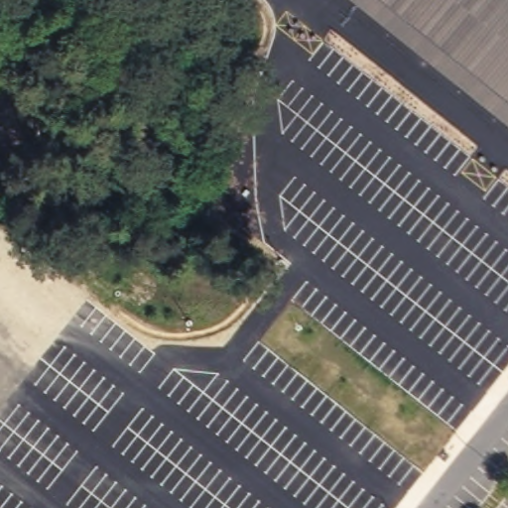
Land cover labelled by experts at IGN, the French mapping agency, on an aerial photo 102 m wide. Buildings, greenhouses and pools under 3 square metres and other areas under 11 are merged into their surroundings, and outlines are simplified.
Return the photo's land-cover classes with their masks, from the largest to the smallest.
<instances>
[{"label":"impervious surface","instance_id":"1","mask_svg":"<svg viewBox=\"0 0 508 508\"><path fill-rule=\"evenodd\" d=\"M262 24L256 54L274 60L276 85L284 87V97L268 105V111L264 115L268 125L260 135L248 137L242 157L232 165L230 189L252 202V208L248 210L252 234L250 244L260 248L268 258H272L276 264L278 278H284V290L278 302L262 314H258L256 310L222 347L159 345L157 349H145L121 327L107 319L101 312L103 306L83 284L73 282H67L50 266H36L34 270H30V250L12 246V242L8 240V232L0 230V508H508V127L502 121H498L490 111H486L480 103H476L468 93L456 87L450 79H446L433 65H423L421 58L409 46L397 40L361 8H357L351 0H256ZM300 308L310 316L316 317L327 329L335 331V335L341 341H345L369 363H373L377 369L389 375L397 385L411 393V397L419 405L429 409L435 417L443 419L448 425L456 427V433L446 443V458H435L427 466V470L419 474L415 468L409 466L405 456H399L391 446L385 448L383 444H379L377 435L369 433L365 425L349 417L345 407L339 409L341 405L337 401H331L327 393L321 395L317 391L316 383L310 385L308 375L294 371L288 363H280L278 359L268 355V351H264L262 337L272 327V323L286 310Z\"/></svg>","mask_w":508,"mask_h":508},{"label":"deciduous trees","instance_id":"2","mask_svg":"<svg viewBox=\"0 0 508 508\"><path fill-rule=\"evenodd\" d=\"M262 24L256 0H0V230L8 232V240L12 242V246L30 250V270H34L36 266H50L67 282H73L79 276L87 274H95L97 280L113 284H119L123 278H131L135 272H145L151 278L159 274L169 278L187 262L196 274L208 276L212 290L232 294L242 302L252 300L256 296L262 298V304L256 306V310L258 314H262L278 302L284 290V278H278L276 264L272 258H268L260 248L250 244L252 234L248 210L252 208V202L230 189L232 165L242 157L248 137L260 135L268 125L264 115L268 111V105L284 97V87L276 85L274 60L256 54Z\"/></svg>","mask_w":508,"mask_h":508},{"label":"herbaceous vegetation","instance_id":"3","mask_svg":"<svg viewBox=\"0 0 508 508\"><path fill-rule=\"evenodd\" d=\"M83 284L103 306H117L123 312L139 317L159 329L183 331L187 321H192V329L214 325L228 316L234 308H238L242 302L232 294L212 290L208 276L196 274L187 262L169 278L159 274L151 278L145 272H135L131 278H123L119 284H113L97 280L95 274H87L79 276L73 282ZM264 351H268V355L278 359L280 363H288L294 371L308 375L310 385L316 383L317 391L321 395L327 393L331 401H337L341 405L339 409L345 407L349 417L365 425L369 433L377 435L379 444H383L385 448L391 446L399 456H405L409 466L415 468L419 474L427 470V466L435 458H446V443L456 433V427L448 425L443 419L435 417L429 409L419 405L411 397V393L397 385L389 375L377 369L373 363H369L345 341H341L335 335V331L327 329L316 317L310 316L300 308L286 310L272 323V327L262 337Z\"/></svg>","mask_w":508,"mask_h":508},{"label":"building","instance_id":"4","mask_svg":"<svg viewBox=\"0 0 508 508\"><path fill-rule=\"evenodd\" d=\"M357 8H361L397 40L409 46L421 58L423 65H433L446 79H450L456 87L468 93L476 103H480L486 111H490L498 121H502L508 127V0H351Z\"/></svg>","mask_w":508,"mask_h":508},{"label":"pervious surface","instance_id":"5","mask_svg":"<svg viewBox=\"0 0 508 508\"><path fill-rule=\"evenodd\" d=\"M262 304V298L256 296L252 300L242 302L238 308H234L228 316L214 325L192 329V321H187L183 331L159 329L139 317L123 312L117 306H103L101 312L107 319L121 327L145 349H157L159 345L222 347L256 310V306Z\"/></svg>","mask_w":508,"mask_h":508}]
</instances>
